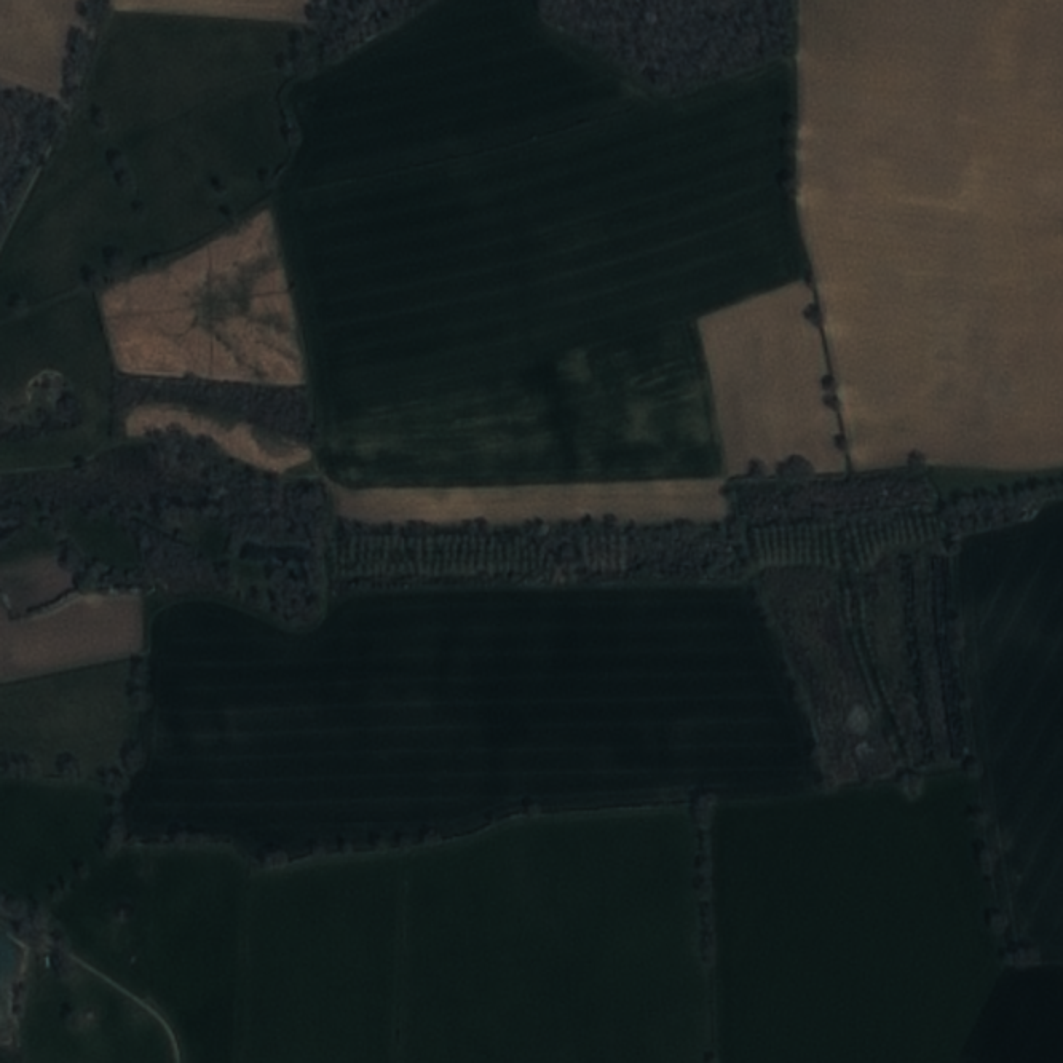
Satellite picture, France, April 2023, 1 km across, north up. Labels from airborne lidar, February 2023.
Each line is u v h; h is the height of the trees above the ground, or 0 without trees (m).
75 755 0
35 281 0
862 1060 0
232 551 6
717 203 0
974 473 0
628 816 0
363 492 0
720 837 0
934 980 0
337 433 0
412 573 22
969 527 17
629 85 0
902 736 15
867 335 0
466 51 0
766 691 0
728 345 0
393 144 0
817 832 0
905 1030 0
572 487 0
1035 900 0
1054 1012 0
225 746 0
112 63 0
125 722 0
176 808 0
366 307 0
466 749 0
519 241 0
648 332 0
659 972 0
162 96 0
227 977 0
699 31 21
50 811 0
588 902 0
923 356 0
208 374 0
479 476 0
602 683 0
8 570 0
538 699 0
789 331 0
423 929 0
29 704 0
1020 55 0
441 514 0
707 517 0
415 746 0
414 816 0
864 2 0
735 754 0
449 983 0
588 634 0
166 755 0
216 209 0
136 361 0
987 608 0
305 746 0
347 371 0
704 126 0
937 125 0
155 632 0
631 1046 0
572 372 0
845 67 0
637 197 0
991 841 0
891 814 0
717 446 0
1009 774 0
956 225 0
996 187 0
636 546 12
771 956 0
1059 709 0
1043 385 0
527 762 0
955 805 0
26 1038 0
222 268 0
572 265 0
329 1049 0
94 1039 0
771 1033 0
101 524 0
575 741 0
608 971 0
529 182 0
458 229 0
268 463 0
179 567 17
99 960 0
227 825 0
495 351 0
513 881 0
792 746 0
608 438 0
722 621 0
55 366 0
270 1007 0
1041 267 0
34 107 14
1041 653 0
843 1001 0
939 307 0
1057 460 0
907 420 0
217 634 0
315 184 0
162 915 0
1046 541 0
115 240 0
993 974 0
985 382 0
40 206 0
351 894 0
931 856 0
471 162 0
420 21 0
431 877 0
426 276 0
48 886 0
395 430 0
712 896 12
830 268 0
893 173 0
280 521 17
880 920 0
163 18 0
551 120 0
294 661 0
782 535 20
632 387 0
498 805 0
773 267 0
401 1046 0
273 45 0
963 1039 0
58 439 0
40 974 0
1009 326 0
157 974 0
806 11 0
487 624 0
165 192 0
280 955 0
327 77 0
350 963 0
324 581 18
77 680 0
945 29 0
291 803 0
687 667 0
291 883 0
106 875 0
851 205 0
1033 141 0
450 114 0
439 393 0
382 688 0
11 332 0
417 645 0
